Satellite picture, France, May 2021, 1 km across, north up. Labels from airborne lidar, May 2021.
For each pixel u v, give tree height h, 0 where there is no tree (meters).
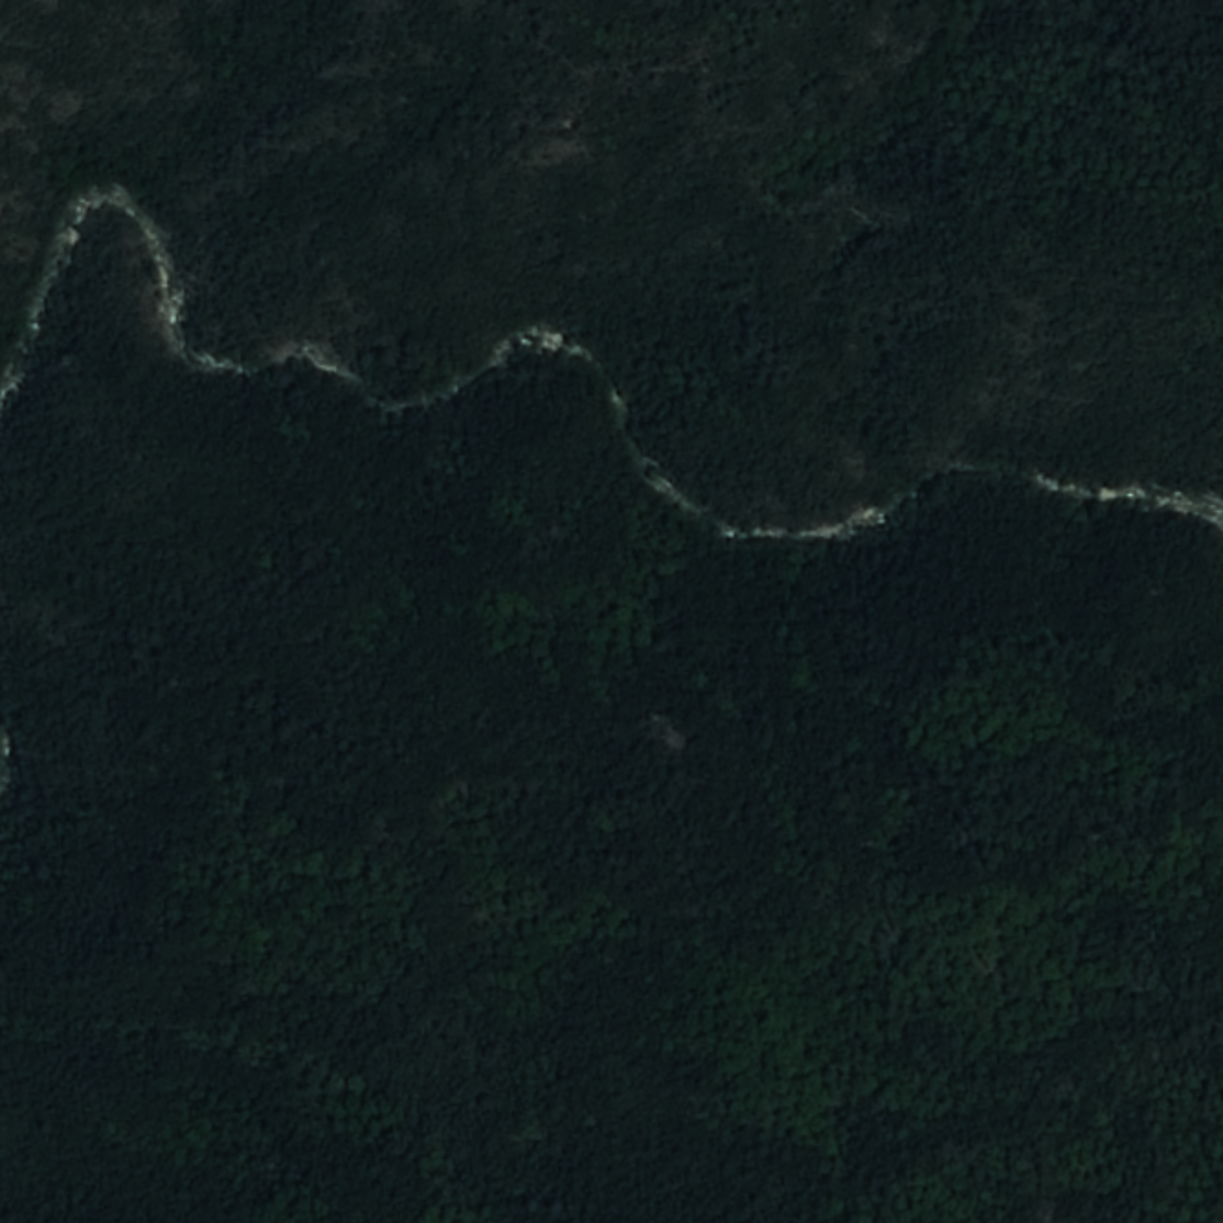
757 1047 16
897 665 8
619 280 14
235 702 15
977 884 16
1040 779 22
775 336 21
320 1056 14
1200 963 11
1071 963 18
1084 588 15
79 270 12
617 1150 13
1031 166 11
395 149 11
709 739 9
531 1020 12
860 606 5
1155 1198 9
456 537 20
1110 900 15
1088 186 15
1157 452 9
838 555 18
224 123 14
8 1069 9
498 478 18
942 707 18
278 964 18
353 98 8
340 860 15
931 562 14
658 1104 10
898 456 19
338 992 14
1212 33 10
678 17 8
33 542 8
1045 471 11
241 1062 20
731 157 7
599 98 8
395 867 8
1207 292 11
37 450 13
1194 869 13
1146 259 10
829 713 11
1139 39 14
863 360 6
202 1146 15
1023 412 7
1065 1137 10
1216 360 19
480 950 15
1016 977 17
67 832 18
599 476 15
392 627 14
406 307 12
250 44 13
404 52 13
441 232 7
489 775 19
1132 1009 6
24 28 8
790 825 19
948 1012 17
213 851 17
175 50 7
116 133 16
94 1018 11
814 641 15
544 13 7
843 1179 11
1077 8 7
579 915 17
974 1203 15
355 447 14
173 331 0
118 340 8
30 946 15
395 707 18
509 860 14
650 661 18
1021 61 16
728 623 20
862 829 13
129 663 12
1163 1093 9
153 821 18
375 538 19
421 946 16
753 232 11
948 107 6
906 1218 15
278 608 15
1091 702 14
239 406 15
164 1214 14
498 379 13
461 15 7
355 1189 15
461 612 13
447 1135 13
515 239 10
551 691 20
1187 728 13
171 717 17
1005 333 11
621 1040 15
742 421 10
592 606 14
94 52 7
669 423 18
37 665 10
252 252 15
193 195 8
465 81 8
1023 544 13
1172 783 23
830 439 9
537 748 14
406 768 17
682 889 18
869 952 21
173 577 12
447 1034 15
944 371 8
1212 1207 15
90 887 13
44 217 9
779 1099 17
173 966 15
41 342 12
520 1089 12
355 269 11
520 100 9
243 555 11
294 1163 19
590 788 13
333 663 17
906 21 8
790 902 10
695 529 20
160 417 10
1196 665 20
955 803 8
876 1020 11
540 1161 9
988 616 9
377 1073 13
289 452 19
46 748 10
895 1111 11
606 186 11
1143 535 12
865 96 5
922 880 18
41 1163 14
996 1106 8
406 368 21
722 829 14
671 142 9
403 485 16
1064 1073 13
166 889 19
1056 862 15
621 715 14
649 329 21
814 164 17
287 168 11
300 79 8
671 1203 11
